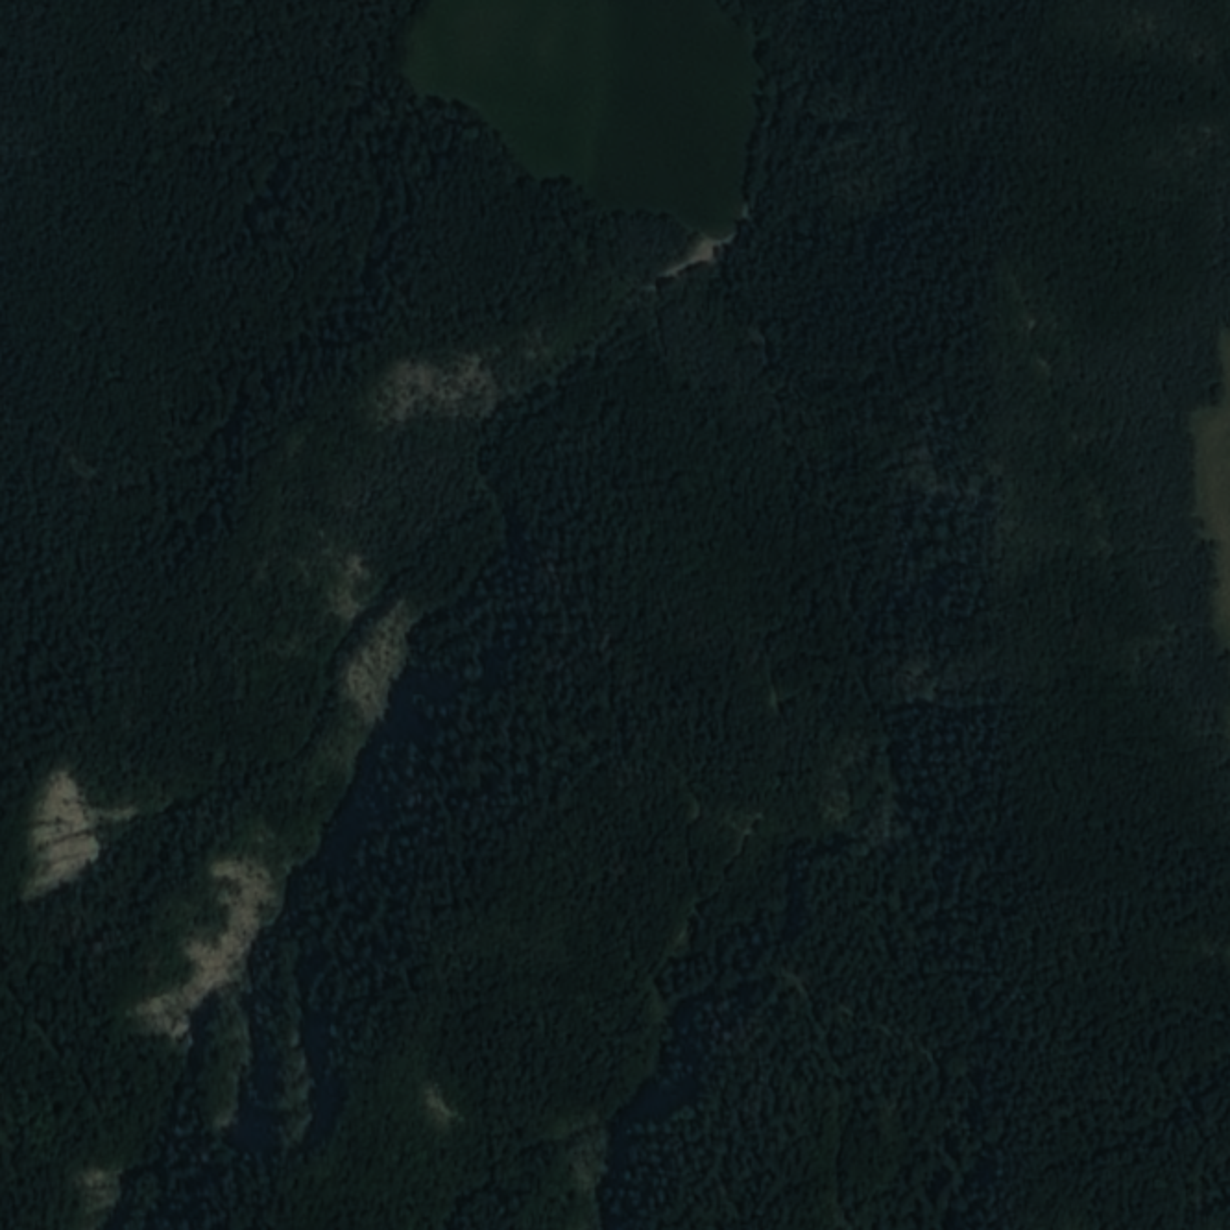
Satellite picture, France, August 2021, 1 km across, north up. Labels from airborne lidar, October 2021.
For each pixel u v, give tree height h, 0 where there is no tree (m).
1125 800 23
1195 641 12
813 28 18
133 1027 11
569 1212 12
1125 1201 27
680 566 21
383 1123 8
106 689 10
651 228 17
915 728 24
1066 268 22
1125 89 22
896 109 10
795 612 25
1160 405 14
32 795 16
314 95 24
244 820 11
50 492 17
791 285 19
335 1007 19
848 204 10
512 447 22
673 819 15
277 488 14
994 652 12
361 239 32
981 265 8
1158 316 15
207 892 12
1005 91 16
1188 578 13
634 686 15
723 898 12
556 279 17
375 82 13
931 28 19
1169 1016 28
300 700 20
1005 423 13
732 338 9
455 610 22
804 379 20
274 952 8
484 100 0
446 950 8
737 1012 15
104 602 25
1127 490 15
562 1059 20
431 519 16
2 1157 21
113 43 24
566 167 0
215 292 29
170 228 25
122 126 22
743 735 24
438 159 7
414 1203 12
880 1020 23
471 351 11
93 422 26
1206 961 10
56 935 23
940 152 14
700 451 16
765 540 19
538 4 0
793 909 7
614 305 10
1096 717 21
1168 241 12
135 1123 31
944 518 17
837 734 15
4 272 23
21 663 22
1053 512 13
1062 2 14
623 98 0
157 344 23
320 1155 7
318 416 17
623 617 20
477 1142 18
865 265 22
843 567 23
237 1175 19
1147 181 11
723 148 0
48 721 17
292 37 28
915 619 23
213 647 16
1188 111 18
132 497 24
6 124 10
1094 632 20
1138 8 10
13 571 25
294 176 38
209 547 21
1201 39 13
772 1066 13
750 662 23
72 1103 16
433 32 0
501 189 27
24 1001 25
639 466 19
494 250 26
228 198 29
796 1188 12
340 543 9
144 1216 7
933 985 31
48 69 17
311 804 24
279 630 20
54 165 16
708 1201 18
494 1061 17
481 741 22
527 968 14
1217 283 16
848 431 11
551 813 17
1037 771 21
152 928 16
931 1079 27
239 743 20
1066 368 13
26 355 22
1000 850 9
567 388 16
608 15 0
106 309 20
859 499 14
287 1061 7
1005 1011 28
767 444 18
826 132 19
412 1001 21
